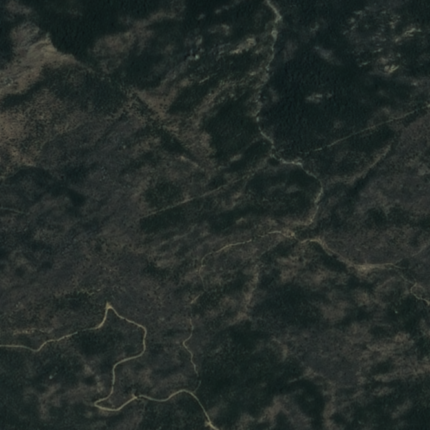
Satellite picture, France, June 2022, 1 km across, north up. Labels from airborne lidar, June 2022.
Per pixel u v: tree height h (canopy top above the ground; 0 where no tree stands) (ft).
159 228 20
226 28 0
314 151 19
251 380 25
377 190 0
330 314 0
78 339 22
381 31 0
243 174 18
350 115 22
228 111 31
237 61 21
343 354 0
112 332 22
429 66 20
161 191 22
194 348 0
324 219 22
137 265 0
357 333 0
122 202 0
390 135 18
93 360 0
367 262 0
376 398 19
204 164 0
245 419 0
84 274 18
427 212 0
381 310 0
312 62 27
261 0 20
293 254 19
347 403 0
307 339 24
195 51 20
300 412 0
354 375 0
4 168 17
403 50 18
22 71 0
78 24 20
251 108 28
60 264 0
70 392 0
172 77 0
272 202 18
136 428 0
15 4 0
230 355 21
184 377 0
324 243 0
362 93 19
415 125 0
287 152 24
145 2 28
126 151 0
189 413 20
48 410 0
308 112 28
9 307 0
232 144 29
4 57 25
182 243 0
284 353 0
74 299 25
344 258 0
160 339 0
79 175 19
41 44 0
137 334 0
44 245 19
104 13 19
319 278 0
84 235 0
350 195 19
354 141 24
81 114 0
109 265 0
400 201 0
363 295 0
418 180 0
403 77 0
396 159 0
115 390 0
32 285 0
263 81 18
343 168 22
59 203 0
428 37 0
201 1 26
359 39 0
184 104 24
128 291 0
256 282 0
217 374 22
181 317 0
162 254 0
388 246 0
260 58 32
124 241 0
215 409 0
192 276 0
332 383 0
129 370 0
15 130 0
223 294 24
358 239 0
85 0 29
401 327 27
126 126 0
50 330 0
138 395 30
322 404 19
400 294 22
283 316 19
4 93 0
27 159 0
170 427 20
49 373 22
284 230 0
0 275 0
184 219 23
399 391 22
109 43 0
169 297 22
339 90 28
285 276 0
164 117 0
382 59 0
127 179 0
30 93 19
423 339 30
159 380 0
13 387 18
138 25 0
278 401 0
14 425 18
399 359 0
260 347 0
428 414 33
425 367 0
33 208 0
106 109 21
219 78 25
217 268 0
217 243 0
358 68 18
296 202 21
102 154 0
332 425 0
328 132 29
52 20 20
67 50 35
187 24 19
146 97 0
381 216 23
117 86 22
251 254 0
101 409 0
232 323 0
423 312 22
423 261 0
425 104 18
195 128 0
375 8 0
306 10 18
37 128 24
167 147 20
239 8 20
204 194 0
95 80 31
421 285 0
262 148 23
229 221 22
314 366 0
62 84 20
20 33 0
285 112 24
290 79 34
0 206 26
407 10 18
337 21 26
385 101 20
